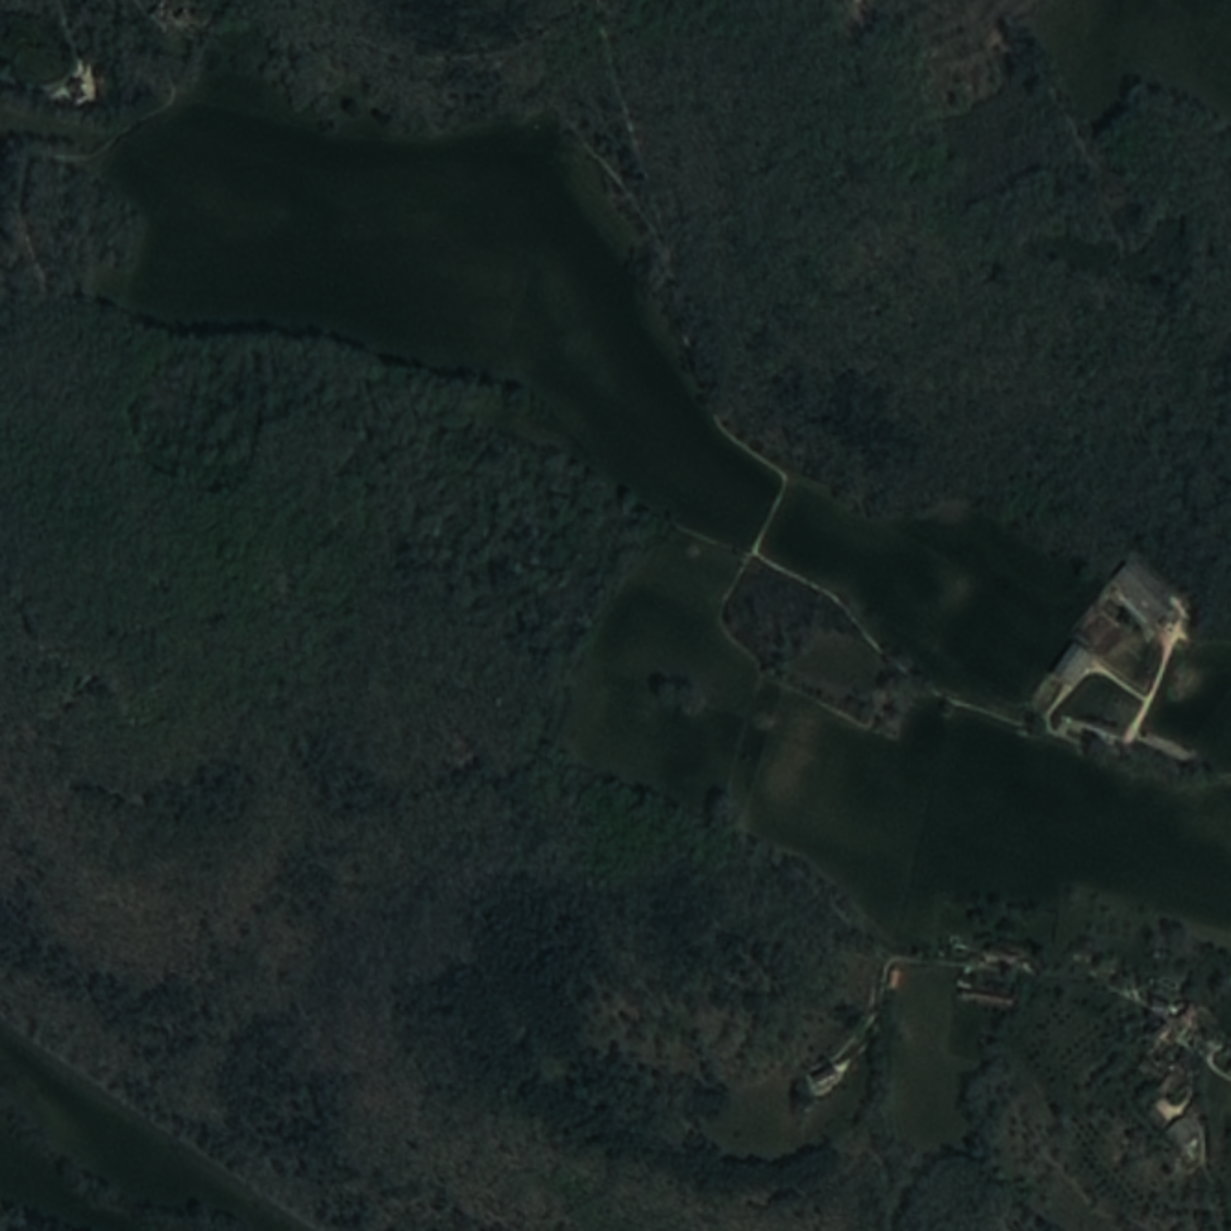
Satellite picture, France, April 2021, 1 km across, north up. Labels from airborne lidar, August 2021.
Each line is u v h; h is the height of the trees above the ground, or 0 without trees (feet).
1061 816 0
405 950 49
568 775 56
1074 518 74
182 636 53
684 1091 48
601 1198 62
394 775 52
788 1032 43
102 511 47
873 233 51
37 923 40
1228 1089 0
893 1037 66
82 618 35
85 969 47
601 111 38
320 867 53
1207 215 33
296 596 56
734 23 65
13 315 42
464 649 45
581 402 0
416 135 52
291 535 56
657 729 0
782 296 37
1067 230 66
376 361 70
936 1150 0
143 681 26
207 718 58
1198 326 51
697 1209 48
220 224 0
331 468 51
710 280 51
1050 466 67
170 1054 41
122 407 42
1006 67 23
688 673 0
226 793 70
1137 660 0
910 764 0
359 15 43
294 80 45
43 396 44
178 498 60
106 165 0
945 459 50
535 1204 52
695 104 32
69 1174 51
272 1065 64
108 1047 37
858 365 30
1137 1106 20
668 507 0
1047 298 51
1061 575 0
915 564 0
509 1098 55
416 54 40
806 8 48
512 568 72
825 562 0
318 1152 65
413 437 63
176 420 50
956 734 0
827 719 0
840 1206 48
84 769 52
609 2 56
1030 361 48
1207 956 25
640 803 37
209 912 37
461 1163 53
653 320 0
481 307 0
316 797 35
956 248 47
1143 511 37
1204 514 36
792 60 45
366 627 53
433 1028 43
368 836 55
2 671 49
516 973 51
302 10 56
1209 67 0
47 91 28
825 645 0
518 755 60
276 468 33
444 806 58
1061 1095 0
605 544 31
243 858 57
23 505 53
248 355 57
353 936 55
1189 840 0
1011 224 57
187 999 44
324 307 0
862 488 48
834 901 58
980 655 0
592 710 0
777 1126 0
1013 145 43
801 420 39
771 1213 33
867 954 38
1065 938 0
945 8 51
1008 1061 29
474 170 0
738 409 47
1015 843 0
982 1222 62
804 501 0
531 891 79
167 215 0
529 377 0
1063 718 0
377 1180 45
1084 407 62
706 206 44
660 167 55
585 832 71
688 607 0
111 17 44
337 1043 44
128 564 38
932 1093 0
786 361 41
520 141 0
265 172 0
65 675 37
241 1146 63
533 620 63
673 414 0
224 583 70
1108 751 58
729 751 0
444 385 64
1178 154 50
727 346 53
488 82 45
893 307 41
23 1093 0
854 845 0
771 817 0
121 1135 0
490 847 69
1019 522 64
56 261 31
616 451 0
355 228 0
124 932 49
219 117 0
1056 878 0
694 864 49
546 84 38
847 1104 0
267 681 65
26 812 39
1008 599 0
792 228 43
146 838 41
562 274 0
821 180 39
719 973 35
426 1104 56
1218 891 0
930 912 0
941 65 0
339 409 26
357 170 0
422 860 69
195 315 0
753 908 36
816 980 44
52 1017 40
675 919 37
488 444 32
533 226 0
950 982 0
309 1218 46
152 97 64
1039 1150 39
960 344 51
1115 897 0
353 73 49
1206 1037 26
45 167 65
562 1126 66
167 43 40
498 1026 73
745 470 0
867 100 32
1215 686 0
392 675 37
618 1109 50
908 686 67
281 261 0
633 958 52
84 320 59
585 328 0
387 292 0
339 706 52
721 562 0
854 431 26
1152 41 0
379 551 53
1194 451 44
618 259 0
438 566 30
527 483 55
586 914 42
